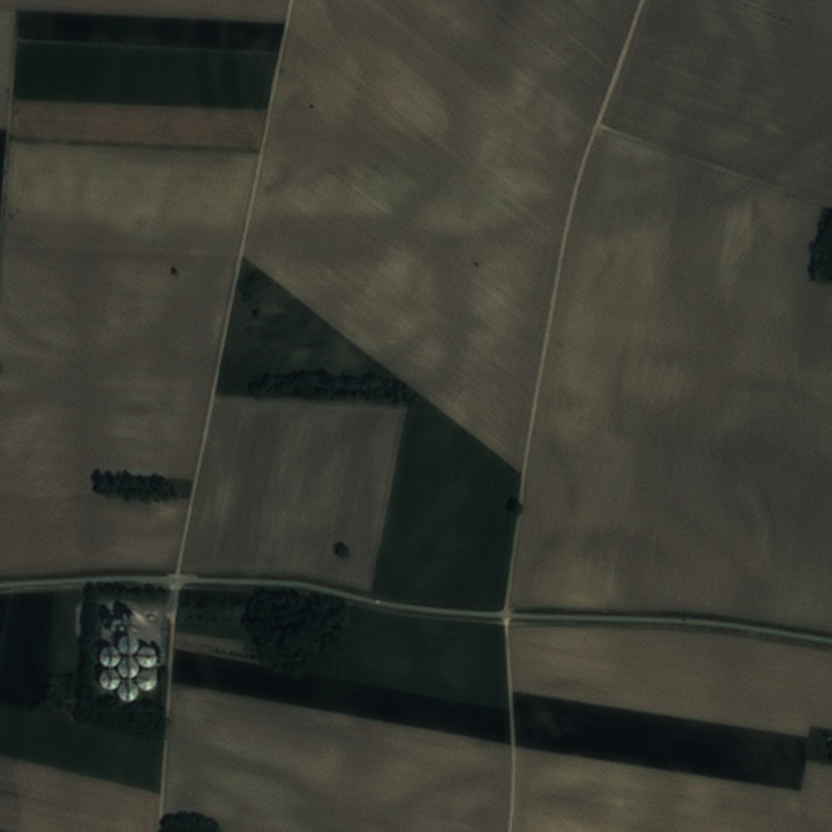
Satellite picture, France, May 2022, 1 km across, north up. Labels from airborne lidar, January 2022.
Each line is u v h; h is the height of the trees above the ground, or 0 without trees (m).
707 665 0
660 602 0
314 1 0
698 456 0
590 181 0
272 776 0
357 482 0
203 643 0
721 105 0
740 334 0
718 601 0
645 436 0
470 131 0
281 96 0
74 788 0
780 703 0
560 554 0
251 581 0
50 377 0
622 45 0
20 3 0
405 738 0
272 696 0
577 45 0
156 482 15
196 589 0
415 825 0
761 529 0
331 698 0
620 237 0
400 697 0
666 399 0
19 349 0
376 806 0
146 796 0
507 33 0
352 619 0
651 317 0
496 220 0
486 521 0
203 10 0
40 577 0
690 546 0
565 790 0
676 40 0
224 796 0
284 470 0
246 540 0
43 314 0
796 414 0
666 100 0
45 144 0
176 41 0
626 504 0
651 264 0
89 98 0
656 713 0
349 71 0
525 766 0
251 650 0
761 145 0
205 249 0
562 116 0
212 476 0
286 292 0
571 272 0
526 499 0
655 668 0
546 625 0
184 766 0
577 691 0
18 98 0
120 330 0
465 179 0
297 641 20
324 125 0
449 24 0
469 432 0
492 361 0
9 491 0
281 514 0
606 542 0
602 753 0
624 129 0
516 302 0
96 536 0
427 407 0
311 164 0
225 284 0
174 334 0
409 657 0
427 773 0
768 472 0
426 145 0
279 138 0
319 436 0
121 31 0
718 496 0
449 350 0
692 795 0
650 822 0
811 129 0
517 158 0
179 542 0
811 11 0
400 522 0
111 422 0
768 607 0
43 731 0
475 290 0
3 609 0
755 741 0
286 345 0
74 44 0
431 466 0
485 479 0
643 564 0
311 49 0
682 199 0
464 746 0
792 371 0
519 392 0
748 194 0
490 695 0
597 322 0
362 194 0
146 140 0
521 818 0
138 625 0
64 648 0
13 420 0
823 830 0
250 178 0
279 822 0
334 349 0
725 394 0
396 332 0
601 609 0
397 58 0
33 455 0
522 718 0
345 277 0
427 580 0
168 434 0
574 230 0
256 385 9
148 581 0
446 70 0
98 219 0
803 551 0
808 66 0
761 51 0
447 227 0
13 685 0
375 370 0
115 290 0
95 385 0
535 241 0
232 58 0
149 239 0
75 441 0
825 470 0
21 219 0
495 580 0
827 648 0
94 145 0
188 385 0
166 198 0
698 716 0
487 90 0
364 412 0
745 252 0
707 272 0
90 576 0
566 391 0
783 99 0
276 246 0
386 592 0
